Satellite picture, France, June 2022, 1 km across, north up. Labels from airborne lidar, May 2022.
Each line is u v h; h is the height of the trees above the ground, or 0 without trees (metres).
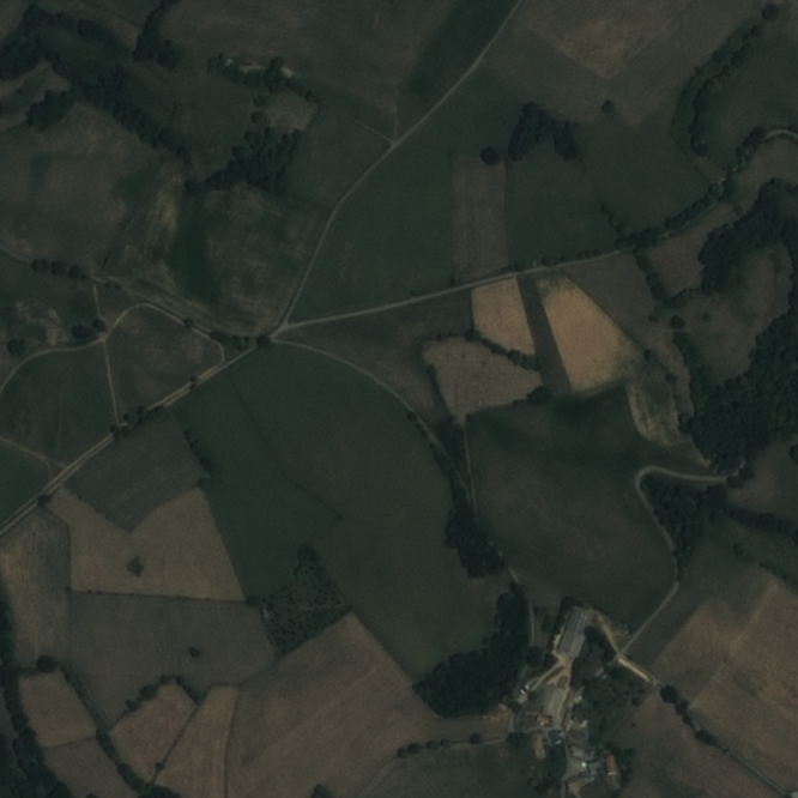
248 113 0
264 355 0
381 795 0
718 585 0
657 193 0
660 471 0
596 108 0
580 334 0
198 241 0
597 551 0
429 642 0
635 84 0
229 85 0
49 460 0
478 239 0
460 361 0
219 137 0
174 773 0
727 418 33
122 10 0
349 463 0
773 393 12
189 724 0
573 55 0
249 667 0
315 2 0
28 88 0
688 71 0
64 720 0
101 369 0
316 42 0
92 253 0
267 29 0
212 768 0
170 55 14
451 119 0
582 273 0
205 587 0
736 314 0
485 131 0
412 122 0
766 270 0
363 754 0
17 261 0
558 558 0
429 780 0
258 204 0
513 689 14
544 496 0
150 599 0
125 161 0
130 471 0
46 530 0
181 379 0
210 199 0
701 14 0
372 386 0
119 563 0
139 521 0
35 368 0
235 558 0
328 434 0
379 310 0
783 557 0
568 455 0
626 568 0
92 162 0
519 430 0
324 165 0
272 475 0
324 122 0
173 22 0
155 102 0
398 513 0
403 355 0
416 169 0
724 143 0
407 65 0
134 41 0
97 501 0
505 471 0
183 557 0
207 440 0
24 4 0
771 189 16
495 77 0
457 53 0
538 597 0
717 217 0
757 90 0
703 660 0
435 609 0
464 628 0
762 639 0
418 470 0
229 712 0
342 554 0
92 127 0
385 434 0
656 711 0
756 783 0
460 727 0
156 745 0
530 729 0
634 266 0
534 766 0
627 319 0
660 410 0
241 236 0
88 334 17
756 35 13
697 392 17
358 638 0
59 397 0
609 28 0
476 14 0
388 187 0
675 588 0
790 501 0
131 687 0
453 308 0
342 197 0
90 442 0
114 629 0
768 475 0
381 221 0
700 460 0
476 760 0
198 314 0
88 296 0
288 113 0
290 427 0
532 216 0
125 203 0
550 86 0
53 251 0
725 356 0
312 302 0
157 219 0
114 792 0
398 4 0
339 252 0
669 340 0
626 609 0
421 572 0
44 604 0
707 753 0
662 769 0
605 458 0
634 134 0
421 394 0
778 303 0
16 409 0
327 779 0
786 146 0
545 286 0
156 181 0
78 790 0
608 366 0
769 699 0
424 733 0
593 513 0
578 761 0
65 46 0
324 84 0
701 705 0
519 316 0
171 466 0
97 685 0
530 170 0
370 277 0
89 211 0
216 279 0
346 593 0
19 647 0
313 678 0
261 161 14
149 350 0
